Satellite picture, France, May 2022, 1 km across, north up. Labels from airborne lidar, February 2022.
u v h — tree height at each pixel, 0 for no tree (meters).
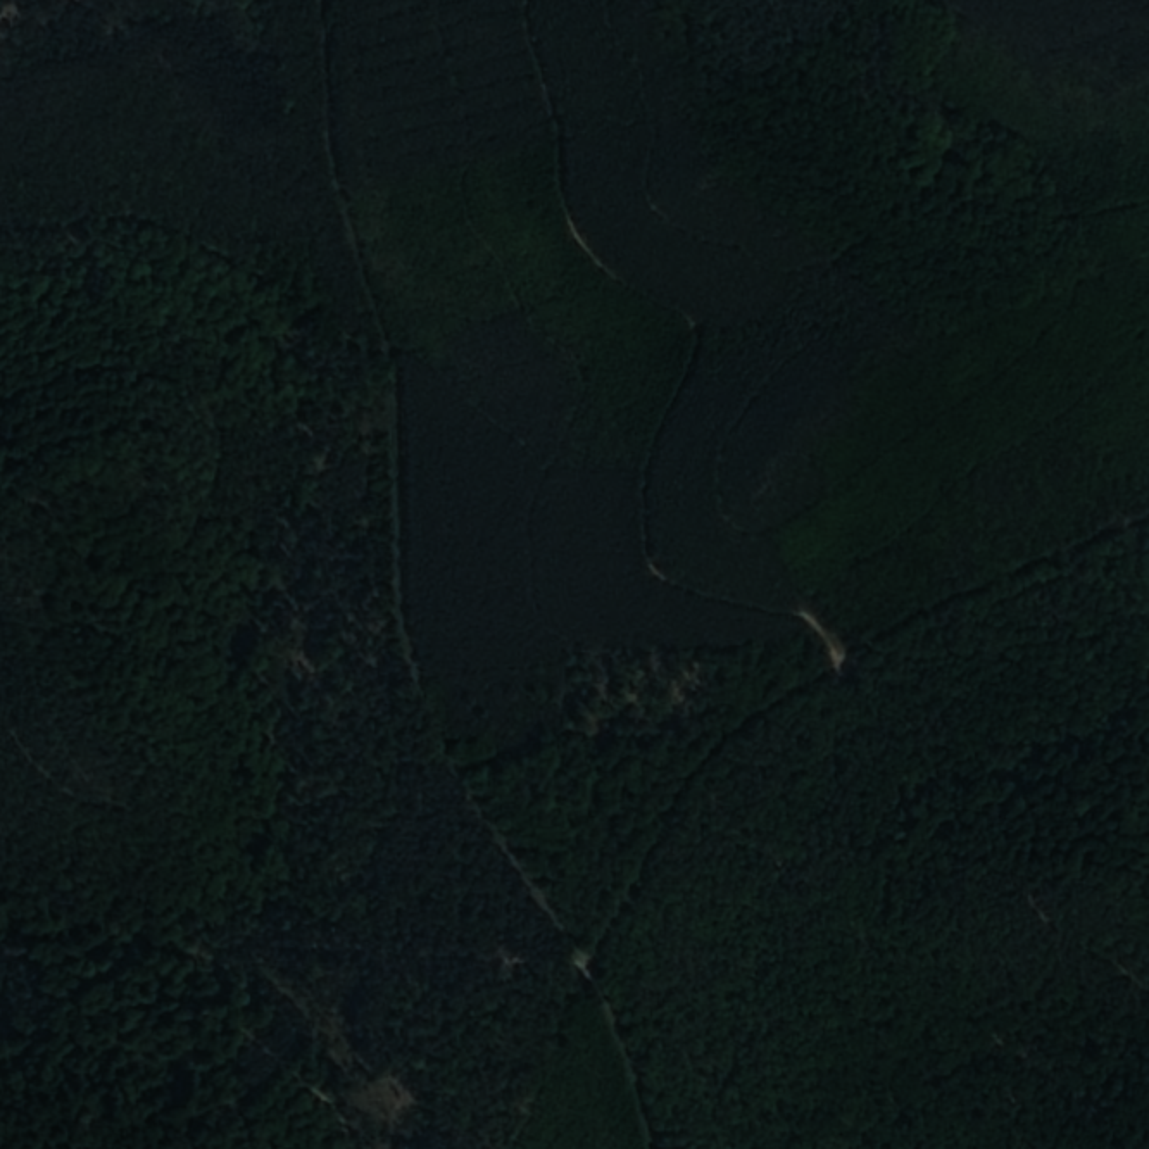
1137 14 17
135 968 39
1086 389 17
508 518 14
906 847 29
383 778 30
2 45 16
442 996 29
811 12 29
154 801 22
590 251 11
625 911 29
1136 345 0
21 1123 28
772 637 13
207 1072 29
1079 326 0
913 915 26
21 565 20
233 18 22
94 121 20
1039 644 27
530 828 27
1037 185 31
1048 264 0
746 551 15
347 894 25
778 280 17
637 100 16
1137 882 25
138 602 41
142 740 21
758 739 31
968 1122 31
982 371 0
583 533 16
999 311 0
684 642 14
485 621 12
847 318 20
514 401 16
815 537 0
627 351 0
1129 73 15
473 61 15
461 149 17
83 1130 25
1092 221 0
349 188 19
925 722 27
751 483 11
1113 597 27
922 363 0
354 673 38
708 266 18
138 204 20
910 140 34
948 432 0
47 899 47
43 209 21
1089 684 30
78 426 31
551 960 27
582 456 12
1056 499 18
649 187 12
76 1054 42
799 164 29
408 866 30
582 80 18
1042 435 17
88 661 32
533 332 12
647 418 0
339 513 14
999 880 24
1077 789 38
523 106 18
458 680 10
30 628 15
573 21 18
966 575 20
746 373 19
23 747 20
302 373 26
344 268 23
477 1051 32
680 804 30
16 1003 40
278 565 35
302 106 23
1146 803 39
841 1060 24
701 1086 27
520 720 11
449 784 29
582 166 19
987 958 24
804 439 14
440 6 17
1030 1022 28
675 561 15
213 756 25
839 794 29
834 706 28
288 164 25
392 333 13
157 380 28
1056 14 17
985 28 12
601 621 16
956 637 28
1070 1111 31
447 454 15
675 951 28
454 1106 27
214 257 22
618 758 29
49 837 21
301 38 18
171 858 31
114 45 18
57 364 34
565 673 8
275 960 35
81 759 15
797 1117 27
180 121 19
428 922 31
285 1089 30
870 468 0
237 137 22
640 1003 25
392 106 17
